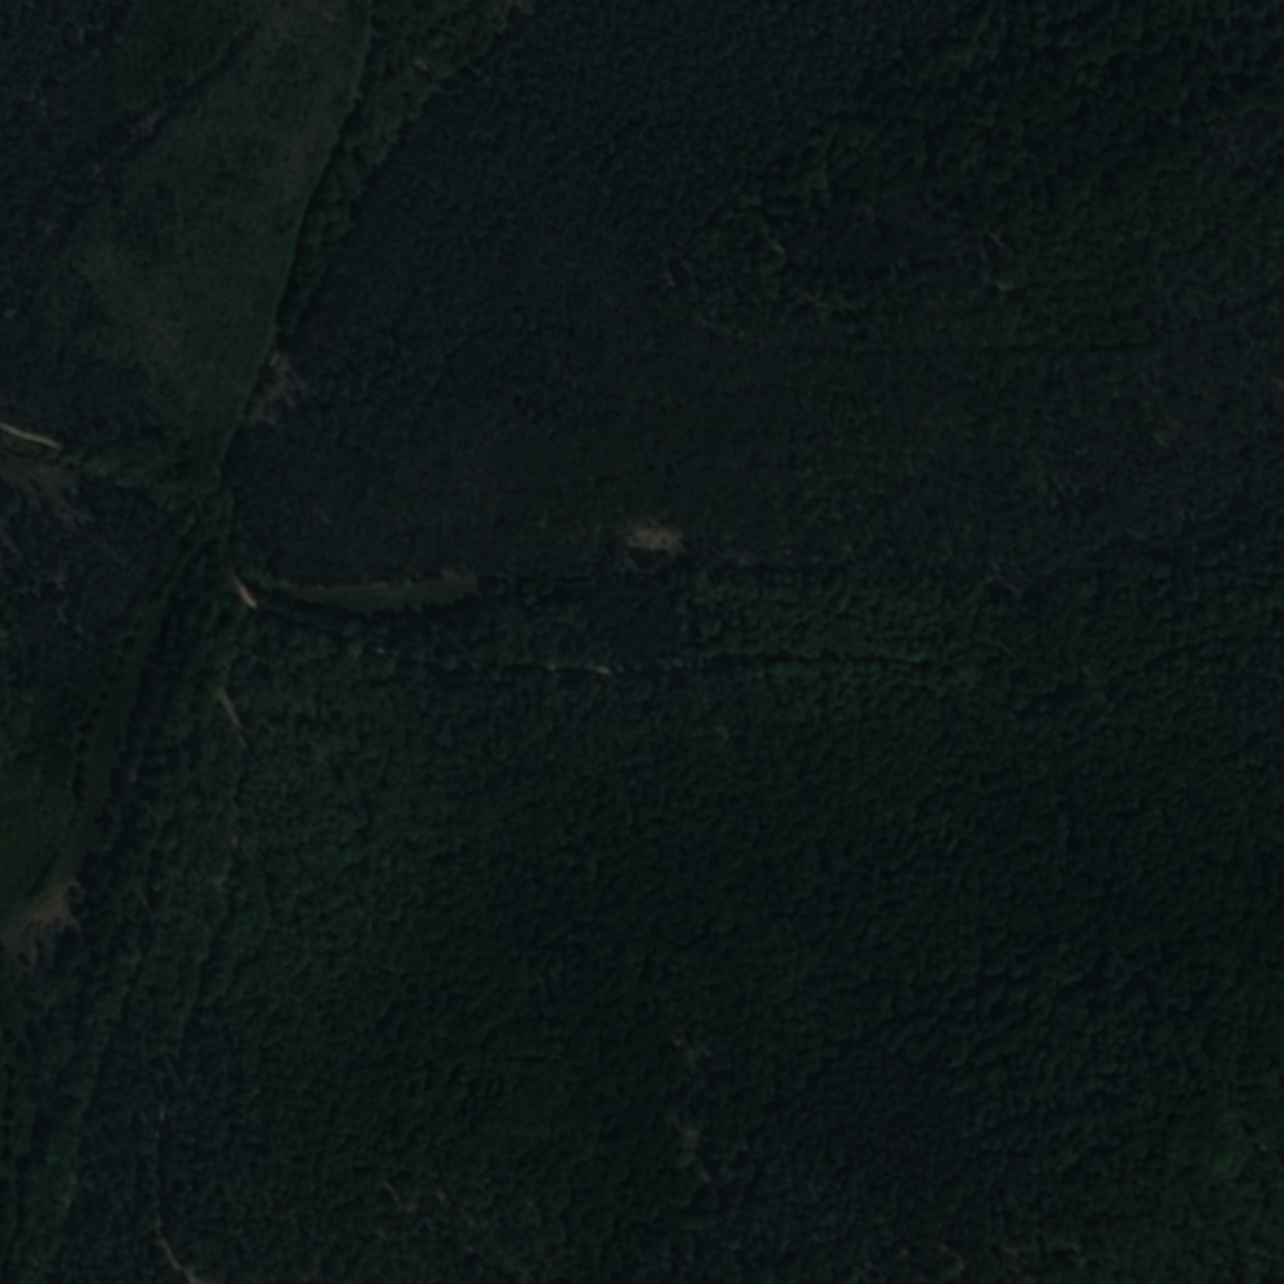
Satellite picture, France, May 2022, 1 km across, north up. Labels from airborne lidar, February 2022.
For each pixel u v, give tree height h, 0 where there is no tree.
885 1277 21
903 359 23
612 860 30
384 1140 27
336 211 26
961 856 30
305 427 21
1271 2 10
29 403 19
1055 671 25
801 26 25
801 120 24
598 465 24
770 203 30
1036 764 28
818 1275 24
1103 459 24
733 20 29
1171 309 24
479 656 21
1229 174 27
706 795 27
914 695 24
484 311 22
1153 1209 26
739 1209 27
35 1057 9
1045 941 30
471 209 22
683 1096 27
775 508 23
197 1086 21
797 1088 29
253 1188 31
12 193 28
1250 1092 26
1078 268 22
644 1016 32
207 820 29
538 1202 26
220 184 14
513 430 22
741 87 26
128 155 33
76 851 0
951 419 25
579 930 36
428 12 28
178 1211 24
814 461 26
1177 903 27
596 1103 31
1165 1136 28
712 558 30
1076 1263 16
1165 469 26
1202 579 30
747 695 26
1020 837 32
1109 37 34
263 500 24
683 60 25
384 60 27
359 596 0
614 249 18
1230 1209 31
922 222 19
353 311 23
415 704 27
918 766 28
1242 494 25
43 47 26
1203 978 30
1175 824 25
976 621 22
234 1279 25
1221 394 25
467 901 30
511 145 21
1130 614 26
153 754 27
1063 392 23
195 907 22
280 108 11
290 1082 27
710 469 25
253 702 26
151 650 0
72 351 17
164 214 19
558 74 29
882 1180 29
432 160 10
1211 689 22
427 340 21
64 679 12
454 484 23
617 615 10
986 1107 25
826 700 29
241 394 21
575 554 20
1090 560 32
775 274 21
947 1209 23
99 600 25
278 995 26
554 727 32
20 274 29
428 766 28
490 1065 28
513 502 23
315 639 28
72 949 22
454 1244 25
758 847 28
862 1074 29
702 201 23
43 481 0
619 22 23
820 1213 21
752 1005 31
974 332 22
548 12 25
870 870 31
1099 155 24
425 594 0
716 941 31
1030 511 26
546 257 20
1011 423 26
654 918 32
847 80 25
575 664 25
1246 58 9
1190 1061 30
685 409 21
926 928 29
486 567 28
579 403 20
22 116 28
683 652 10
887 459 27
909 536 28
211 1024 20
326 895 23
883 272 22
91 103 15
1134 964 27
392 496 23
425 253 22
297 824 24
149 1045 28
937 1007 27
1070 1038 30
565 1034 33
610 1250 24
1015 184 29
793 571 23
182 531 13
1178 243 27
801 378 23
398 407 22
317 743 26
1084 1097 40
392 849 26
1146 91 30
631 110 21
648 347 19
